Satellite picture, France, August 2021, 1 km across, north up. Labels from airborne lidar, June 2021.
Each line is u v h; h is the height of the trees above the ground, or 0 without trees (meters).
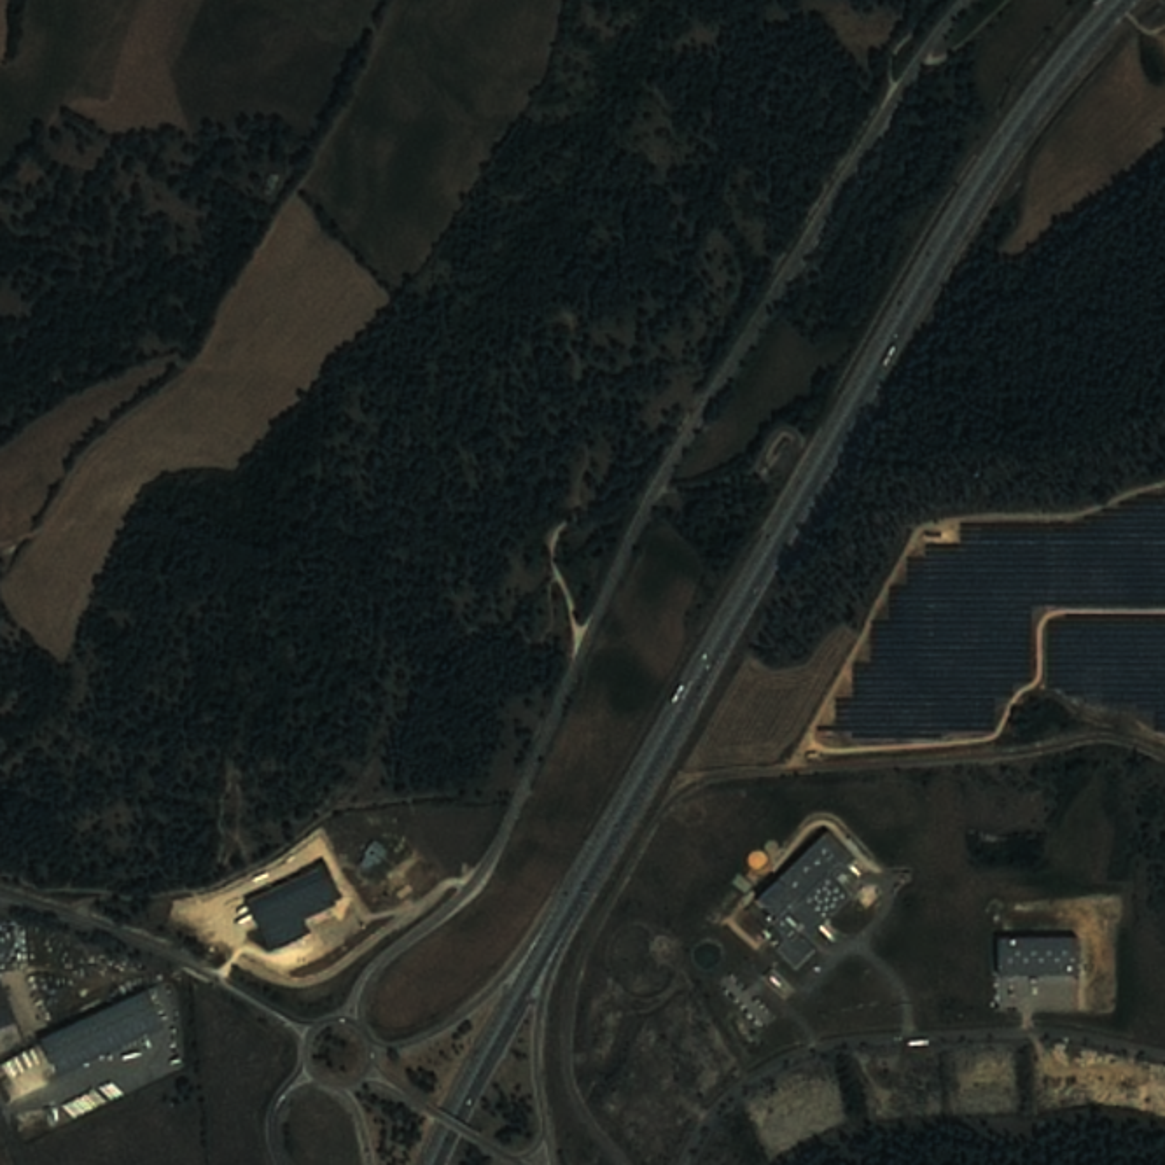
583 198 14
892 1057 0
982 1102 0
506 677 11
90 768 9
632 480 10
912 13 13
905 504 18
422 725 17
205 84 0
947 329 13
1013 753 0
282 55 0
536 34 0
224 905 0
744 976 0
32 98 0
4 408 8
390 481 14
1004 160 0
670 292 11
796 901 0
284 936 0
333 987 0
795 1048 0
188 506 9
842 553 20
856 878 0
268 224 9
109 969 0
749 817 0
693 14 13
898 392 18
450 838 0
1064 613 0
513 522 12
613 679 0
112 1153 0
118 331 11
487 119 0
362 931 0
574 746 0
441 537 12
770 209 11
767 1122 0
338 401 15
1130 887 0
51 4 0
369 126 0
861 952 0
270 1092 0
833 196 0
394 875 0
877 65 15
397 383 9
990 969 0
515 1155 0
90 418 0
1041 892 0
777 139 13
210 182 10
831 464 0
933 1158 10
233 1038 0
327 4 0
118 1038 0
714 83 10
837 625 13
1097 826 0
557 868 0
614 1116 0
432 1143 0
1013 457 17
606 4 9
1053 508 17
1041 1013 0
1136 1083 0
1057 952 0
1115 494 12
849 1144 10
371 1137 0
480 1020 0
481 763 10
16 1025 0
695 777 0
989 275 15
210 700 7
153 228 8
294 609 8
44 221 9
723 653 0
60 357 10
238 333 0
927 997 0
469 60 0
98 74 0
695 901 0
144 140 10
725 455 0
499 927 0
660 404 0
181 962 0
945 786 0
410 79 0
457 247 7
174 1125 0
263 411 0
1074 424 23
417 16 0
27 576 0
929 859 0
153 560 14
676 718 0
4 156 0
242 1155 0
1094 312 7
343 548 13
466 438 13
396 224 0
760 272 11
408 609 13
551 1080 0
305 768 9
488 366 10
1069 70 0
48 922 10
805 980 0
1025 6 0
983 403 18
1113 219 20
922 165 15
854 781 0
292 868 0
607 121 10
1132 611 0
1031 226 0
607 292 12
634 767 0
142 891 12
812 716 0
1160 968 0
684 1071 0
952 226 0
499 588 13
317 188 0
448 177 0
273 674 10
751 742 0
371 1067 0
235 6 0
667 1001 0
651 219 16
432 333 12
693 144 8
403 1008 0
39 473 0
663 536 0
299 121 0
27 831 15
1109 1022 0
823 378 13
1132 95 0
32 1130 0
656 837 0
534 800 0
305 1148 0
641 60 7
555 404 13
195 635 12
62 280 11
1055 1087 0
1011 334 18
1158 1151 12
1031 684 0
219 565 15
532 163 9
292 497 7
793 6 17
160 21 0
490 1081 0
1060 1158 13
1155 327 18
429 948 0
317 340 0
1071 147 0
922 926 0
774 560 0
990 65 0
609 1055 0
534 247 8
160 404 0
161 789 10
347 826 0
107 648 11
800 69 13
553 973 0
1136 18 0
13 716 7
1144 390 16
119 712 13
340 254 0
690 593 0
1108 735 0
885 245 14
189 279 8
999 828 0
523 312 10
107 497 0
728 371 0
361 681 12
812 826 0
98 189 10
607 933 0
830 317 11
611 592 0
